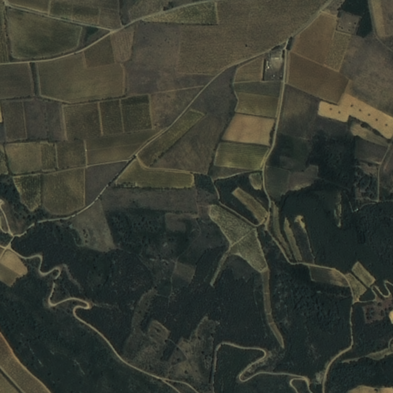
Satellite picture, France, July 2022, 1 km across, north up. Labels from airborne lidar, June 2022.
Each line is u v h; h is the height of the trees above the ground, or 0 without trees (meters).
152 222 9
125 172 0
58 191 0
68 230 11
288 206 8
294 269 7
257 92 0
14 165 0
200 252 0
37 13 0
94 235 0
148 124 0
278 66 0
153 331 0
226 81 0
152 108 0
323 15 0
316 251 7
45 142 0
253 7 0
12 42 0
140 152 0
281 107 0
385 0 0
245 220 0
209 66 0
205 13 0
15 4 0
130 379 0
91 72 0
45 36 0
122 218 12
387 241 8
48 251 6
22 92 0
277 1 0
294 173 0
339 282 0
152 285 8
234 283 8
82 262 8
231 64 0
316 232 7
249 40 0
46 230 6
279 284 0
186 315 6
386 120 0
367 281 0
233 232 0
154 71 0
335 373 10
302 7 0
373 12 0
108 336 7
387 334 8
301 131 0
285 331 7
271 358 0
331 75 0
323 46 0
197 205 0
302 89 0
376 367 7
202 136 0
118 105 0
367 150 0
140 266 7
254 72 0
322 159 6
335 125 0
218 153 0
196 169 0
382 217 9
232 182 8
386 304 0
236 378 7
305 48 0
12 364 0
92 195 0
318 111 0
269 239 9
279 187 0
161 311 6
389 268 7
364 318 7
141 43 0
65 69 0
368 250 9
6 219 0
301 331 7
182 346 0
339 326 8
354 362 9
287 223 0
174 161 0
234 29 0
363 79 0
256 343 7
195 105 0
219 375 6
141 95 0
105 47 0
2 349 0
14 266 0
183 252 0
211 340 0
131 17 0
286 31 0
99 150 0
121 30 0
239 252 0
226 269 6
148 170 0
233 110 0
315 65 0
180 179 0
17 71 0
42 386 0
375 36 0
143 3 0
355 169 9
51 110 0
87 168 0
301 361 7
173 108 0
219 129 0
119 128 0
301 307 9
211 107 0
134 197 0
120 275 7
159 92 0
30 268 7
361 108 0
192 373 0
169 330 8
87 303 0
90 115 0
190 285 6
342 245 9
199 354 0
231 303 8
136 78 0
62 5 0
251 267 0
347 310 9
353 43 0
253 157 0
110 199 0
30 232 13
